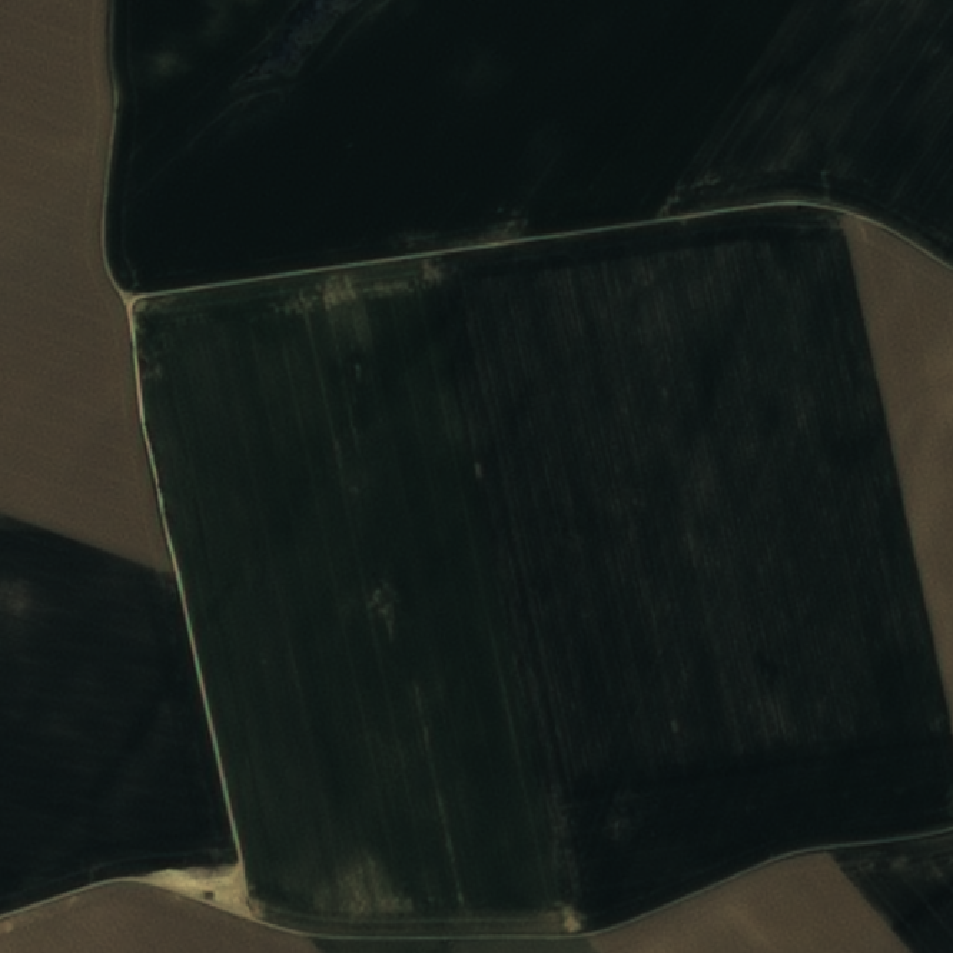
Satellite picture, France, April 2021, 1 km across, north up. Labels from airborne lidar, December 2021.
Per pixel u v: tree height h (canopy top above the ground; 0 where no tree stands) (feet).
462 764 0
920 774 0
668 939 0
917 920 0
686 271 0
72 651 0
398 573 0
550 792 0
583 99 0
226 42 0
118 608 0
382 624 0
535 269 0
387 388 0
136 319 0
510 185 0
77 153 0
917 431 0
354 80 0
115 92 0
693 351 0
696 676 0
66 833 0
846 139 0
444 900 0
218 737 0
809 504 0
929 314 0
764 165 0
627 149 0
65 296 0
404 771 0
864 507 0
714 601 0
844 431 0
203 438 0
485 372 0
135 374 0
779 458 0
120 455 0
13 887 0
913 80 0
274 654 0
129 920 0
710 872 0
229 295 0
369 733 0
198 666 0
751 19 0
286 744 0
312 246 0
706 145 0
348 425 0
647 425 0
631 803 0
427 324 0
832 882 0
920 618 0
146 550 0
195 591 0
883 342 0
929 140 0
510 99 0
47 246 0
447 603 0
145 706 0
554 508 0
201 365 0
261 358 0
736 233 0
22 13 0
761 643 0
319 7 59
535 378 0
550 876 0
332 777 0
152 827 0
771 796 0
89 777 0
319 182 0
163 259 0
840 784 0
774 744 0
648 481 0
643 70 0
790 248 0
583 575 0
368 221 0
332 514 0
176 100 0
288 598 0
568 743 0
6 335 0
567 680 0
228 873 0
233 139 0
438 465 0
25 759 0
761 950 0
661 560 0
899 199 0
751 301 0
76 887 0
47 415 0
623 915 0
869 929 0
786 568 0
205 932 0
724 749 0
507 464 0
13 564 0
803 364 0
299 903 0
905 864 0
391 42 0
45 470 0
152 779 0
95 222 0
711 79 0
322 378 0
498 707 0
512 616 0
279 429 0
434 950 0
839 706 0
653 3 0
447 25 0
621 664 0
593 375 0
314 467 0
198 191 0
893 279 0
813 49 0
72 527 0
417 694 0
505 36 0
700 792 0
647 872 0
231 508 0
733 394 0
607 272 0
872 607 0
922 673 0
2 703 0
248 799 0
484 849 0
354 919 0
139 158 0
